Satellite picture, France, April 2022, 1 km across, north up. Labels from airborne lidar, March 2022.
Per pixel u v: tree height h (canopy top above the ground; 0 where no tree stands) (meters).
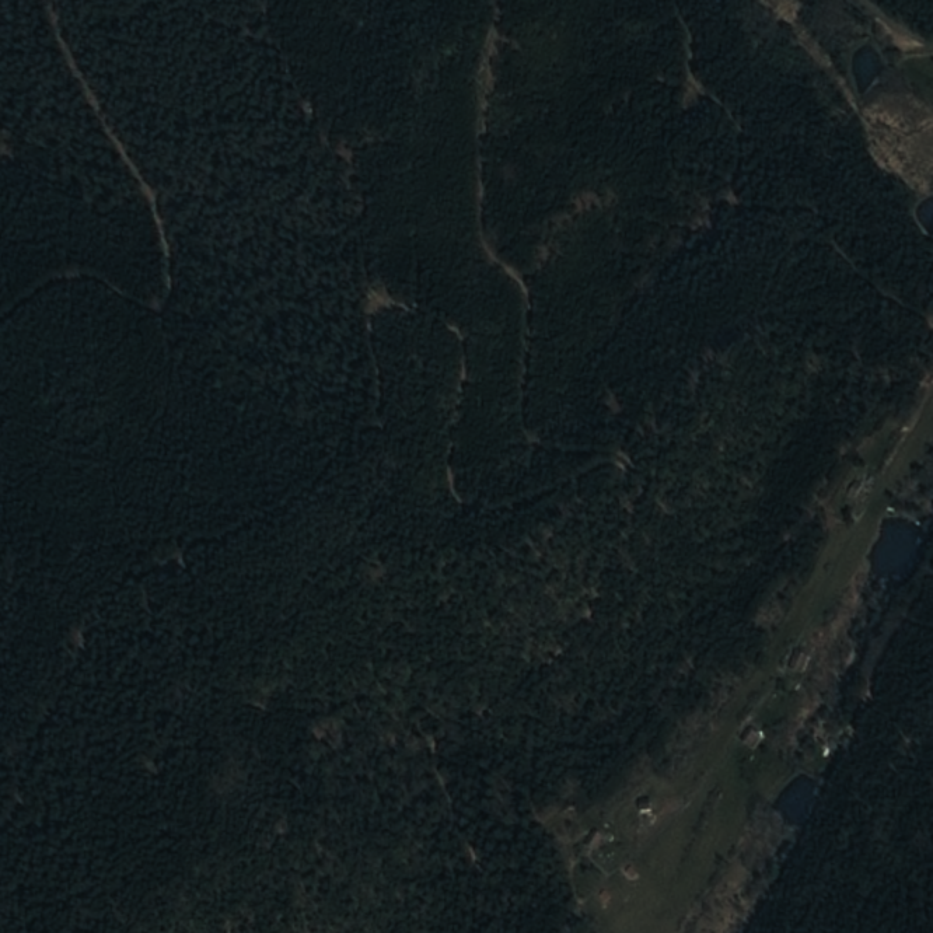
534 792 19
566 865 22
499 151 18
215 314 11
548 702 25
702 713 15
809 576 17
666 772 8
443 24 24
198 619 25
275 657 24
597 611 30
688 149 24
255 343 29
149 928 23
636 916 0
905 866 16
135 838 27
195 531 23
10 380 18
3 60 34
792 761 9
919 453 0
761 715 0
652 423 10
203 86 9
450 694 29
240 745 19
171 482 21
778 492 16
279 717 20
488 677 20
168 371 22
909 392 12
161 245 20
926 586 18
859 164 24
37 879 27
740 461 27
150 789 26
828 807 12
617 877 0
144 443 23
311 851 28
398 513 23
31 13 31
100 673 27
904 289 28
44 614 22
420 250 14
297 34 18
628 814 0
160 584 24
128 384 17
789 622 0
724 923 0
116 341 17
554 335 14
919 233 28
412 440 19
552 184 11
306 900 28
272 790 17
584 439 19
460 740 31
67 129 31
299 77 20
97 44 29
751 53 20
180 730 29
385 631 25
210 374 8
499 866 36
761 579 17
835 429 18
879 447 0
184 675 27
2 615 14
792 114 22
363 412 20
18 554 18
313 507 21
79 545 17
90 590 22
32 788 27
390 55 21
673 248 8
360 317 17
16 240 18
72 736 26
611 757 29
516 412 17
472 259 15
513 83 10
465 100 9
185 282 14
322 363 31
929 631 13
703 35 19
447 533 21
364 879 24
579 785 24
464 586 14
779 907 14
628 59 18
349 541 20
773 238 26
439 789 29
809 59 11
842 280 23
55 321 14
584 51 12
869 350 20
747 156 22
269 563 22
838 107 14
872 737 18
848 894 20
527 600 29
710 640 22
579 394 14
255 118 26
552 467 17
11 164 9
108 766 27
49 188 22
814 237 24
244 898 28
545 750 21
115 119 27
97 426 16
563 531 27
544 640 28
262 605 27
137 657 28
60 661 21
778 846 7
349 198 17
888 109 0
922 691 13
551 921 22
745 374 24
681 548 24
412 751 39
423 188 13
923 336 15
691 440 22
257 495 20
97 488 14
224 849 17
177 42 24
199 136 30
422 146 14
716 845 0
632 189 12
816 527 25
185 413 20
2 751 23
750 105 18
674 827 0
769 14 17
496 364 9
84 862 26
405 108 14
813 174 32
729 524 22
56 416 13
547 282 9
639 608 24
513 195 15
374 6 23
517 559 24
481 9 14
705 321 12
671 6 26
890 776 18
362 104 16
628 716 13
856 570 0
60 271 18
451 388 13
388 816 28
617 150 12
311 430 11
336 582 25
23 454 18
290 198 24
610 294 16
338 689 19
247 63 7
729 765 0
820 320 20
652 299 15
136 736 23
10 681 21
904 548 0
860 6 15
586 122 17
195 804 29
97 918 27
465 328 17
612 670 25
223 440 22
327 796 30
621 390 19
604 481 9
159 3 25
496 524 20
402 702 30
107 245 17
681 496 14
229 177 28
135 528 23
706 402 20
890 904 19
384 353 21
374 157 8
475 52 9
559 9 9
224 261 26
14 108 11
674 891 0
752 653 21
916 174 0
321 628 18
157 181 16
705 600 14
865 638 15
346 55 20
